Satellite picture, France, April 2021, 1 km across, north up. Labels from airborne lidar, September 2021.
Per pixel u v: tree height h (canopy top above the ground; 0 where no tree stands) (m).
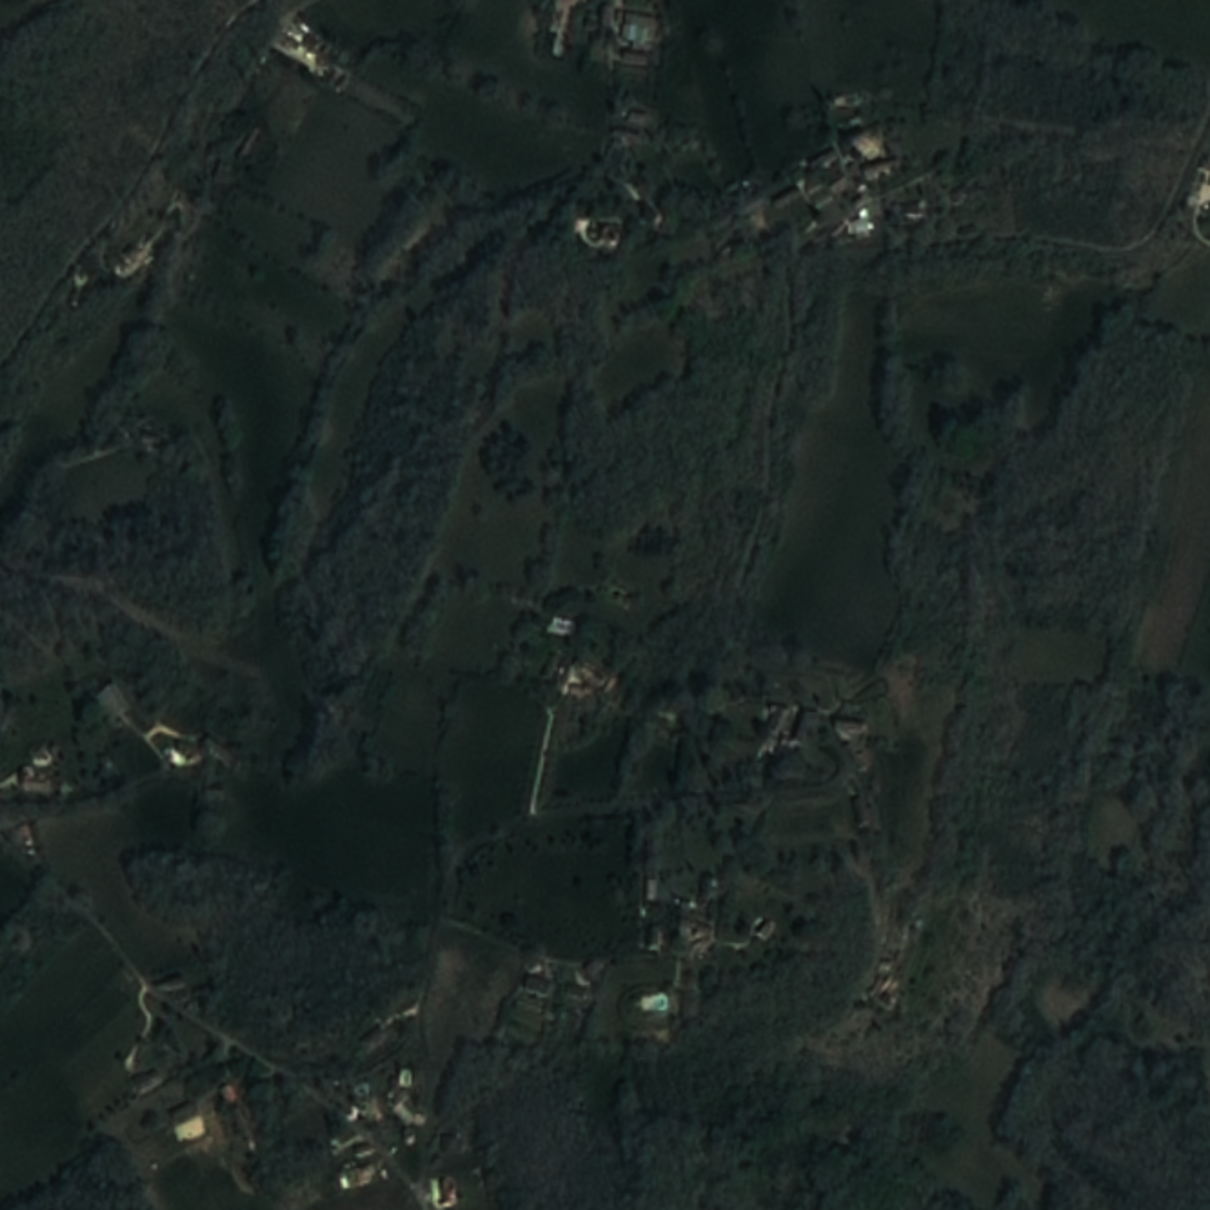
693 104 0
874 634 0
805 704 15
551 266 14
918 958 0
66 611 18
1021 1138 19
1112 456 15
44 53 24
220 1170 0
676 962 6
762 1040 21
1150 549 23
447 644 0
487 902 0
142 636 17
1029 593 14
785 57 0
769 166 0
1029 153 16
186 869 19
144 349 25
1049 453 22
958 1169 0
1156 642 0
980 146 6
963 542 11
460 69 10
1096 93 7
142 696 11
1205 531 0
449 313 15
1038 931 14
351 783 0
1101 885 18
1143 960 10
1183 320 0
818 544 0
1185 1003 20
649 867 18
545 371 17
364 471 9
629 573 0
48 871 9
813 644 0
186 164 12
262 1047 8
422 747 0
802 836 0
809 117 6
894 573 9
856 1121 18
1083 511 16
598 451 23
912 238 15
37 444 0
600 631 17
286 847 0
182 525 17
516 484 14
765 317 14
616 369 0
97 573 19
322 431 15
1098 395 21
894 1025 13
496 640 0
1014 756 9
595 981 10
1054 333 0
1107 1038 9
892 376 25
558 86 0
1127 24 0
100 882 0
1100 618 12
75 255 20
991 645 13
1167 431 21
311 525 16
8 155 8
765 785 8
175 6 14
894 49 9
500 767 0
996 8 23
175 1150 0
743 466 17
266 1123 17
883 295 17
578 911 0
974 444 25
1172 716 18
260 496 0
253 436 0
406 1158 0
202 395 0
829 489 0
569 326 12
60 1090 0
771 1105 25
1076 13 0
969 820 14
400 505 12
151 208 22
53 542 13
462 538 0
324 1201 0
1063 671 0
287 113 0
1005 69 14
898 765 0
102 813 11
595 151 0
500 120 0
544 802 7
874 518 0
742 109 8
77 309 12
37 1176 0
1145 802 24
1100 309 0
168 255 22
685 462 17
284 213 10
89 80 16
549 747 7
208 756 11
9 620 18
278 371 0
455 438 17
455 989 0
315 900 14
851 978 22
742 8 0
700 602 11
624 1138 19
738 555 10
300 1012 13
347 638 12
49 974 0
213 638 12
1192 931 21
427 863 0
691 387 15
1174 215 10
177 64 13
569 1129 19
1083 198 8
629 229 15
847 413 0
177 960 0
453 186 16
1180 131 12
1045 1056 17
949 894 18
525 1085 18
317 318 0
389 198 0
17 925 10
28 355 21
